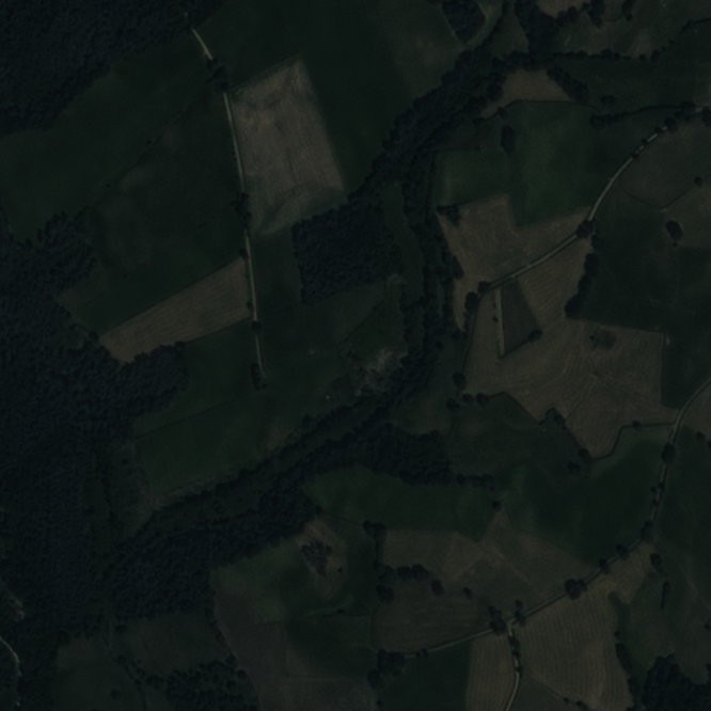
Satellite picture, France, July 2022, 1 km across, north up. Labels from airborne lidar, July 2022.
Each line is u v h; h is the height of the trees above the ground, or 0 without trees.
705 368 0
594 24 11
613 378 0
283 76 0
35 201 0
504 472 0
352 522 0
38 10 12
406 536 0
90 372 22
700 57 0
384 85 0
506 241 0
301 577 0
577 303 17
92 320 0
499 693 0
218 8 12
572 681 0
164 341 0
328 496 0
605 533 0
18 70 16
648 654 0
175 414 0
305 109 0
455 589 0
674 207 0
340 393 0
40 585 22
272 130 0
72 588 26
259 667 0
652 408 0
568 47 0
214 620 10
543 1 0
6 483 27
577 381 0
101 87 0
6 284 11
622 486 0
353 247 18
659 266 0
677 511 0
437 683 0
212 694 12
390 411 17
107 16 22
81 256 9
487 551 0
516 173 0
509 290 0
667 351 0
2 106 8
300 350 0
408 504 0
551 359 0
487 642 0
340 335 0
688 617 0
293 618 0
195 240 0
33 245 19
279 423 0
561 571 0
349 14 0
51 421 29
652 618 0
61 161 0
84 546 26
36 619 21
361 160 0
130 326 0
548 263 0
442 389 0
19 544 18
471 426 0
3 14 9
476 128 7
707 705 15
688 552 0
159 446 0
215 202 0
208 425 0
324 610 0
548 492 0
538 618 0
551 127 0
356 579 0
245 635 0
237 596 0
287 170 0
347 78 0
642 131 0
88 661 0
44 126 13
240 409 0
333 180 0
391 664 19
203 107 0
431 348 9
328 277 19
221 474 0
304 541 0
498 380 0
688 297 0
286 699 0
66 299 0
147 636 0
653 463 0
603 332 0
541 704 0
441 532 0
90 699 0
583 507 0
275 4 0
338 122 0
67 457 21
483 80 7
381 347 0
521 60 19
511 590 0
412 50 0
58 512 23
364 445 19
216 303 0
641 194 0
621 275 0
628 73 0
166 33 18
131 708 0
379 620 0
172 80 0
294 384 0
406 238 0
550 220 0
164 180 0
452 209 14
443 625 0
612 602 0
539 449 0
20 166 0
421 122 22
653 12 0
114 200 0
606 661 0
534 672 0
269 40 0
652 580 0
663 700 28
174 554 7
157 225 0
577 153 0
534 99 0
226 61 0
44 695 23
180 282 0
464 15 20
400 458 9
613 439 0
